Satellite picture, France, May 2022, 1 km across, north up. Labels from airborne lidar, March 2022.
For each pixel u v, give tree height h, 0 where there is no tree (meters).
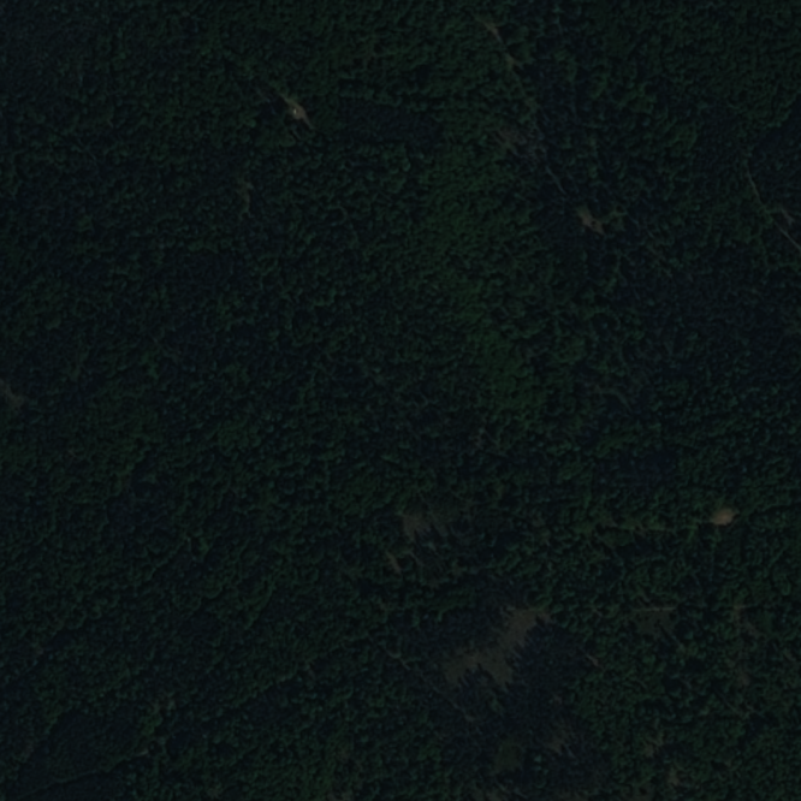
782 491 26
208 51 26
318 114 17
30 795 18
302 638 21
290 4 25
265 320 28
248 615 19
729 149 22
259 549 24
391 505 25
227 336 29
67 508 26
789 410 15
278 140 28
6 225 22
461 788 19
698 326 35
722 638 27
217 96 31
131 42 23
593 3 20
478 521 7
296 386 23
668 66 27
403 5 27
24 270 22
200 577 25
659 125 22
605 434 32
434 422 26
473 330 24
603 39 19
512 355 32
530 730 24
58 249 31
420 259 23
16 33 25
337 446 27
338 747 25
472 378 23
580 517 27
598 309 24
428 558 24
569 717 26
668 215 30
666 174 22
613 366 25
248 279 27
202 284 33
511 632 0
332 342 25
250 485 23
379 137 18
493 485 13
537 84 31
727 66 23
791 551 15
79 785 19
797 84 20
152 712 21
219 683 23
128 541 25
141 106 28
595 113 30
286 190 25
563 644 26
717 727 25
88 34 20
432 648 22
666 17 29
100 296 27
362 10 30
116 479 21
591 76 29
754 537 27
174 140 27
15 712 27
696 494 27
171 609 22
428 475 23
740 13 23
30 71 28
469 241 29
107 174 29
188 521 26
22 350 23
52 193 26
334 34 28
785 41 25
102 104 24
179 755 25
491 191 31
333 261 27
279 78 25
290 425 25
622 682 26
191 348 25
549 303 29
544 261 31
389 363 23
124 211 28
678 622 8
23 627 21
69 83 25
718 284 31
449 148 26
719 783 23
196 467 26
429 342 23
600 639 24
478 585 25
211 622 18
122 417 26
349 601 24
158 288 27
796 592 15
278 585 21
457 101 29
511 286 29
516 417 26
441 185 26
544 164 25
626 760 24
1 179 33
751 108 25
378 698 24
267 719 30
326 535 30
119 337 25
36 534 26
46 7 21
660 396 27
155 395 28
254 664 25
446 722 26
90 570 23
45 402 25
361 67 17
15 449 23
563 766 30
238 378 27
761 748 23
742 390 33
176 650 23
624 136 17
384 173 27
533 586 23
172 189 35
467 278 22
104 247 23
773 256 22
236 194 26
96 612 23
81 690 22
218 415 29
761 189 17
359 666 16
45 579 25
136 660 26
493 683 26
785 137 21
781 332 32
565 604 27
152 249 25
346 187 29
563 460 26
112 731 20
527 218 15
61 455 24
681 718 27
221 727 26
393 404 25
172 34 22
